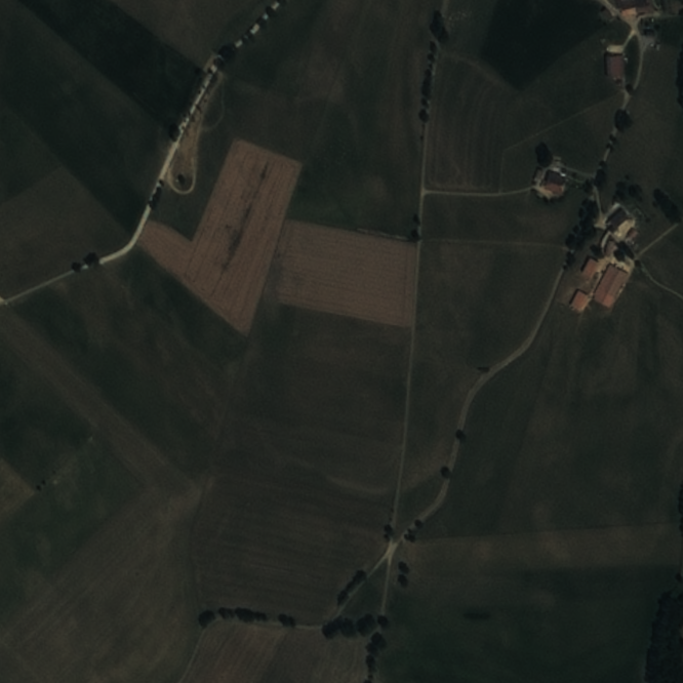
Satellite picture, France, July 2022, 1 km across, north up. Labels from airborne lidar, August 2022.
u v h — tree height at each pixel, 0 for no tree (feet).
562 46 0
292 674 0
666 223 0
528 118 0
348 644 0
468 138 0
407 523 0
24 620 0
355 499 0
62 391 0
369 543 0
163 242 0
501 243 0
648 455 0
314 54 0
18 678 0
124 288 0
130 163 0
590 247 0
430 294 0
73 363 0
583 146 0
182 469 0
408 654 0
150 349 0
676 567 0
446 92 0
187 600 0
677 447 0
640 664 0
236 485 0
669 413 0
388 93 0
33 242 0
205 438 0
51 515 0
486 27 0
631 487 0
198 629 0
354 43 0
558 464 0
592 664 0
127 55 0
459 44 0
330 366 0
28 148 0
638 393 0
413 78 0
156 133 0
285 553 0
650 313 0
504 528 0
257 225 0
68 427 0
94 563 0
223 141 0
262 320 0
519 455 0
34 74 0
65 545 0
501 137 0
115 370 0
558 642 0
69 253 0
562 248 0
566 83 0
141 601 0
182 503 0
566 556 0
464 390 0
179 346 0
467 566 0
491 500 0
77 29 0
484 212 0
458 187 0
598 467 0
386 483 0
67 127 0
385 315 0
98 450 0
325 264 0
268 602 0
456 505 0
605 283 0
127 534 0
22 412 0
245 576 0
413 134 0
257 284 0
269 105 0
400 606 0
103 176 0
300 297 0
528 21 0
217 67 44
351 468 0
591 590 0
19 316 0
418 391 0
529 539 0
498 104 0
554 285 0
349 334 0
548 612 0
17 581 0
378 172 0
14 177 0
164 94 0
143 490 0
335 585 0
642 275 0
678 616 94
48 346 0
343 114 0
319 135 0
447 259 0
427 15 0
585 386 0
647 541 0
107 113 0
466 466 0
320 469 0
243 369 0
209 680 0
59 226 0
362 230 0
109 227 0
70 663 0
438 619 0
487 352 0
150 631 0
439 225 0
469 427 0
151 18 0
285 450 0
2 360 0
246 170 0
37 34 0
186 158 0
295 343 0
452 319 0
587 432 0
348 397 0
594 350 0
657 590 0
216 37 0
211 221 0
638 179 0
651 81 0
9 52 0
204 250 0
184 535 0
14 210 0
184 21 0
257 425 0
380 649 21
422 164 0
